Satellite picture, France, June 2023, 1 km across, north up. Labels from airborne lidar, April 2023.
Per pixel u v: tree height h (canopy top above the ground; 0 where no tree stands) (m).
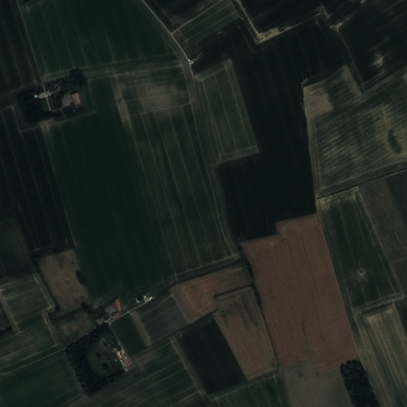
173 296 0
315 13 0
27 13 0
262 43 0
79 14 0
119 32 0
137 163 0
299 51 0
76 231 0
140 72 0
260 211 0
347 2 0
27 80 0
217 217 0
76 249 0
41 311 0
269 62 0
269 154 0
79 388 0
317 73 0
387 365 0
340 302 0
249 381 0
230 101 0
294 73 0
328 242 0
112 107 0
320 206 0
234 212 0
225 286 0
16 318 0
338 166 0
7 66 0
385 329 0
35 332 0
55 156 0
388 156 0
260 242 0
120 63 0
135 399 0
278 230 0
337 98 0
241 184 0
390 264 0
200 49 0
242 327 0
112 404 0
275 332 0
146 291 0
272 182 0
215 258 0
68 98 0
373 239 0
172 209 0
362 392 13
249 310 0
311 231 0
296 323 0
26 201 0
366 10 0
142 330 0
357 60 0
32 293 0
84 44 0
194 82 0
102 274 0
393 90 0
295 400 0
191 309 0
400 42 0
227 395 0
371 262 0
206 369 0
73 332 0
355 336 0
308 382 0
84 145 0
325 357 0
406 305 0
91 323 0
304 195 0
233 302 0
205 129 0
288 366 0
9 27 0
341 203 0
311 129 0
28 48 0
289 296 0
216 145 0
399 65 0
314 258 0
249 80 0
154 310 0
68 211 0
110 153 0
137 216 0
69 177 0
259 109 0
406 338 0
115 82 0
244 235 0
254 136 0
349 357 0
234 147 0
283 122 0
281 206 0
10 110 0
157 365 0
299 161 0
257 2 0
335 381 0
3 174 0
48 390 0
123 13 0
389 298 0
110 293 0
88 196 0
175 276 0
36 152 0
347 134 0
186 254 0
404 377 0
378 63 0
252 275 6
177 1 0
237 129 0
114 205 0
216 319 0
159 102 0
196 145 0
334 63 0
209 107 0
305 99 0
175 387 0
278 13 0
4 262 0
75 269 0
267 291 0
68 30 0
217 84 0
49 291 0
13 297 0
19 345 0
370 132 0
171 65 0
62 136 0
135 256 0
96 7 0
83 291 0
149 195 0
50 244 0
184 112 0
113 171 0
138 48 0
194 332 0
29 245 0
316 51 0
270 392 0
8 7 0
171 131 0
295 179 0
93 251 0
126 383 0
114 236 0
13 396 0
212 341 0
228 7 0
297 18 0
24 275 0
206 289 0
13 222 0
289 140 0
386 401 0
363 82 0
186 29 0
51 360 0
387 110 0
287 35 0
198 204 0
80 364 16
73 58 0
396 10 0
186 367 0
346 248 0
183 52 0
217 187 0
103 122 0
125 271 0
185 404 0
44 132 0
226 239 0
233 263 0
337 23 0
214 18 0
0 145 0
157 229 0
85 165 0
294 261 0
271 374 0
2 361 0
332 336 0
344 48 0
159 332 0
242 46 0
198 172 0
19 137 0
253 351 0
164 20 0
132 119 0
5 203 0
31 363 0
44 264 0
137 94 0
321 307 0
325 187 0
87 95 0
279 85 0
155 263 0
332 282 0
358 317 0
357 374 14
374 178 0
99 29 0
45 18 0
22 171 0
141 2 0
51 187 0
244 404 0
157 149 0
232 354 0
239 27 0
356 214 0
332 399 0
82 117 0
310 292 0
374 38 0
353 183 0
